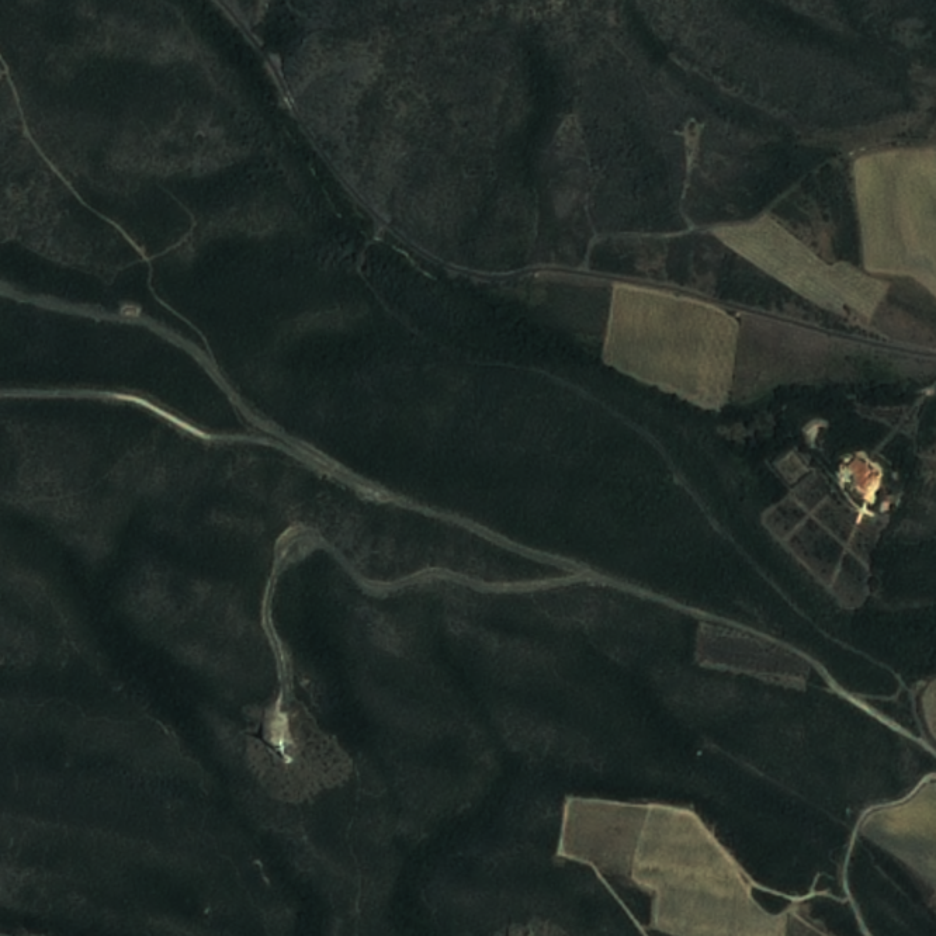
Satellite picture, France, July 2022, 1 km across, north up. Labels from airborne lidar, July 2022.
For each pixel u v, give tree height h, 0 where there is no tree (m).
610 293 0
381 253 6
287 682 0
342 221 10
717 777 7
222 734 0
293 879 8
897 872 6
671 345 0
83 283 6
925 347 0
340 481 0
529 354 7
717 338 0
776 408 14
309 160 18
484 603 0
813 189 6
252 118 10
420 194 0
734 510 6
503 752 7
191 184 7
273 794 0
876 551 8
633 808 0
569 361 7
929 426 7
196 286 6
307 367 9
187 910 7
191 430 0
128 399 0
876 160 0
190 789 6
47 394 0
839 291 0
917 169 0
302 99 0
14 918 7
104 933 6
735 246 0
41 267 6
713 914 0
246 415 0
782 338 0
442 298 8
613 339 0
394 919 9
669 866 0
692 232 0
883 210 0
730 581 6
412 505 0
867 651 6
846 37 0
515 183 7
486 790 6
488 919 0
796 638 6
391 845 6
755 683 7
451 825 9
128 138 0
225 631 0
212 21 13
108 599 7
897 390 12
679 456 7
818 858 7
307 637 7
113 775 8
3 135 0
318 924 6
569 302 0
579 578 0
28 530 6
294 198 10
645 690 7
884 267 0
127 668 9
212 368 0
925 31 6
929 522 0
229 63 6
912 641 7
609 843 0
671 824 0
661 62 7
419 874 8
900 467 9
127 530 7
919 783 0
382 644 0
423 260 7
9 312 8
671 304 0
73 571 9
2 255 6
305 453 0
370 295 7
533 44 8
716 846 0
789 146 6
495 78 0
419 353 6
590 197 0
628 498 6
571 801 0
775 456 7
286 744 0
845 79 0
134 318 0
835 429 7
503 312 11
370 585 0
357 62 0
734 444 14
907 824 0
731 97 0
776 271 0
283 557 0
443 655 6
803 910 0
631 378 9
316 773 0
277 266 5
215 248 8
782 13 5
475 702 6
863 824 0
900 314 0
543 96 9
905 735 0
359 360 6
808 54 0
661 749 7
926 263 0
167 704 10
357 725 7
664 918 0
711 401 0
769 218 0
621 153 11
